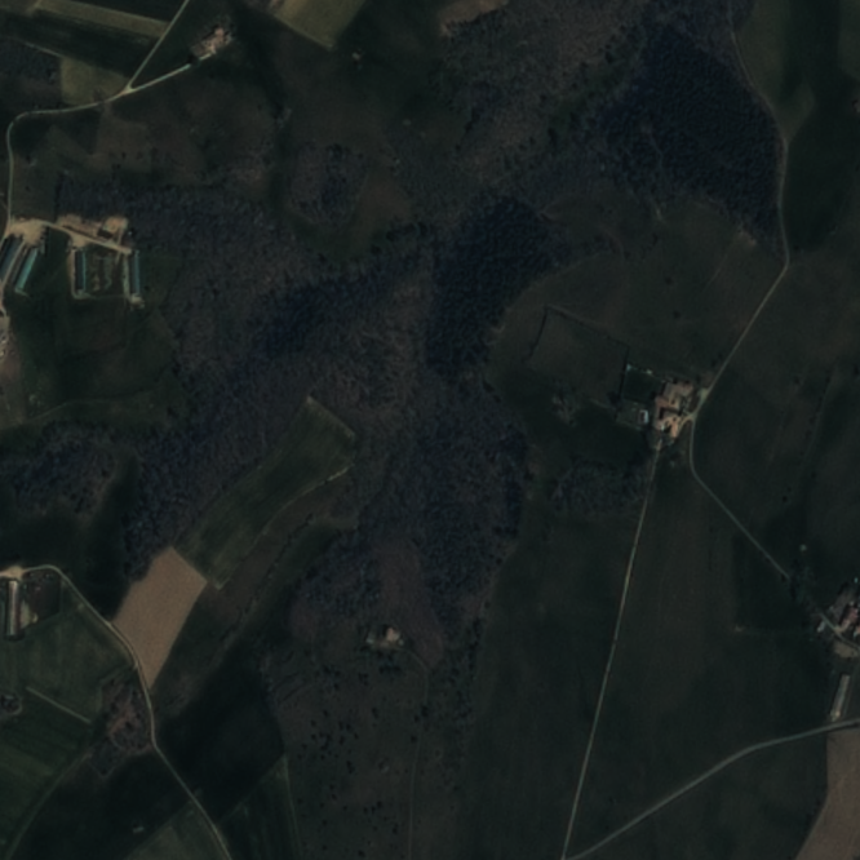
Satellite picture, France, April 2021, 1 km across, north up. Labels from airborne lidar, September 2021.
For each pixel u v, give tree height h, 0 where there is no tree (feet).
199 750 0
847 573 0
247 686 0
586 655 0
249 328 52
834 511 0
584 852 0
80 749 0
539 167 58
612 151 35
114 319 0
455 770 20
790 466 0
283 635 0
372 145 0
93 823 0
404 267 66
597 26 20
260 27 0
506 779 0
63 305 0
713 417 0
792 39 0
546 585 0
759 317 0
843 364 0
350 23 0
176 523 37
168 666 0
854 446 0
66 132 0
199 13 0
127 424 0
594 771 0
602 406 0
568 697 0
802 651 0
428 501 52
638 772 0
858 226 0
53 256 0
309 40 0
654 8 44
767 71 0
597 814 0
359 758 0
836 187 0
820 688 0
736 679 0
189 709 0
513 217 102
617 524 0
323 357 47
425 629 63
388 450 50
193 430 75
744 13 32
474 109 41
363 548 35
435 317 73
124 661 0
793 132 0
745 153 55
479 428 71
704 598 0
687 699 0
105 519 0
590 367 0
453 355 43
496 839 0
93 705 0
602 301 0
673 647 0
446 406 56
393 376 31
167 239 37
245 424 49
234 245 36
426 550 42
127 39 0
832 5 0
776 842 0
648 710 0
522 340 0
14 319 0
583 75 35
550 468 0
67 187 40
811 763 0
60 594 0
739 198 64
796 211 0
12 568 0
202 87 0
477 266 92
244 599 0
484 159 33
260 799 0
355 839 0
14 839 0
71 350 0
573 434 0
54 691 0
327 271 50
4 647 0
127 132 0
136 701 27
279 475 0
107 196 43
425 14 0
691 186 51
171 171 0
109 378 0
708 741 0
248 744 0
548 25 26
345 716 0
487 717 0
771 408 0
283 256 29
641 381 0
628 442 0
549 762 0
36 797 0
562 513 43
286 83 0
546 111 42
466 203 27
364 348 39
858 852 0
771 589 0
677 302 0
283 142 0
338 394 33
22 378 0
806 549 0
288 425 38
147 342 0
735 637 0
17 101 0
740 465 0
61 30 0
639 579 0
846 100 0
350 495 45
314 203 37
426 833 0
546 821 0
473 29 31
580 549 0
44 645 0
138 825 0
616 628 0
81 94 0
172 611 0
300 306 78
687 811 0
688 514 0
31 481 39
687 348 0
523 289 32
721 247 0
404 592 62
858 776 0
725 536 0
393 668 20
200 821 0
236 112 0
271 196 0
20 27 0
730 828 0
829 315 0
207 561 0
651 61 53
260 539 0
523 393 0
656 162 54
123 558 0
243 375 61
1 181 0
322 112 0
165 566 0
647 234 0
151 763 0
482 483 43
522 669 0
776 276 0
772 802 0
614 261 0
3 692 0
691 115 87
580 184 59
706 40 42
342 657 0
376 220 0
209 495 39
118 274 0
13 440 0
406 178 30
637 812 0
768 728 0
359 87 0
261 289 39
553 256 62
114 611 0
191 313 49
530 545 0
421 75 0
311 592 29
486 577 31
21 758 0
